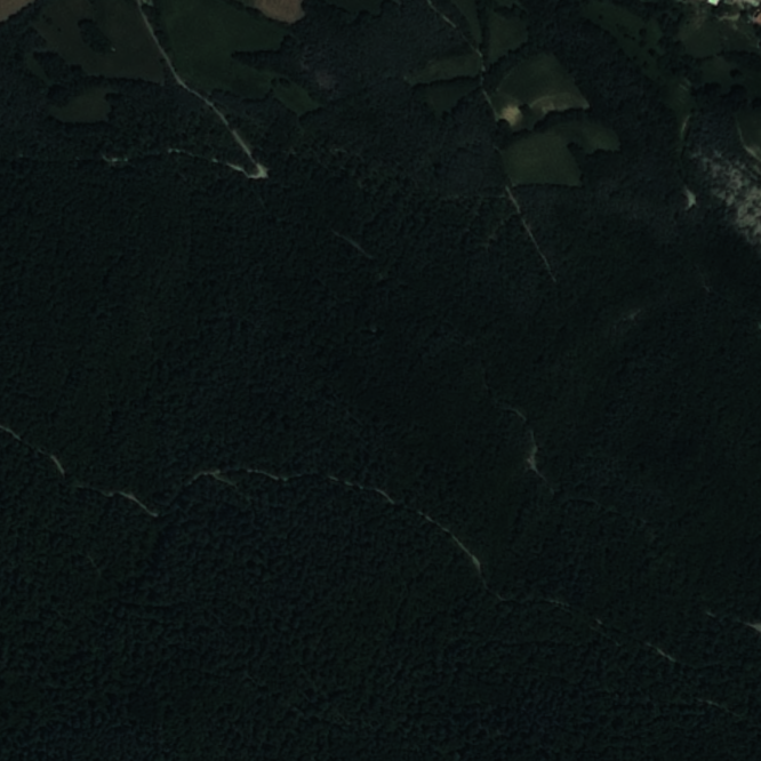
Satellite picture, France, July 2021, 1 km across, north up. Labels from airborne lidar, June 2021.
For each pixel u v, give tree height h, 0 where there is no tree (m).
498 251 13
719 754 17
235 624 19
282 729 25
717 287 13
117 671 17
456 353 16
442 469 17
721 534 15
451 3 9
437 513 12
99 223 21
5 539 21
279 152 13
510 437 13
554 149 0
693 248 16
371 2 0
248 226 21
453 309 21
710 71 0
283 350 20
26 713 11
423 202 12
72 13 0
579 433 13
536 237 10
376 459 11
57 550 18
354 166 13
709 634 17
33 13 13
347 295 20
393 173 16
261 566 6
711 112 7
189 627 18
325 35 19
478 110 14
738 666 17
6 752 9
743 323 17
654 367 12
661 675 13
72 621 24
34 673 15
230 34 0
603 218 13
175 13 0
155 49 0
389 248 13
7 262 16
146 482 24
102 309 21
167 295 16
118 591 14
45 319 24
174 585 35
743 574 20
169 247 16
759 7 7
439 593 19
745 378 12
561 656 17
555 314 13
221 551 26
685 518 14
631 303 10
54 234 24
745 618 17
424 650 20
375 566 25
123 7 0
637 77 18
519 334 16
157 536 8
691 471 20
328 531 19
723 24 0
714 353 14
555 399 16
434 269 18
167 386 19
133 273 18
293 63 12
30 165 21
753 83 0
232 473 14
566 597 15
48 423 26
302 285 20
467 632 18
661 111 23
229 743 28
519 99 0
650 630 16
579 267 11
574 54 11
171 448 19
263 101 9
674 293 16
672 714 18
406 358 19
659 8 17
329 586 19
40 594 24
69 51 0
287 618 28
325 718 23
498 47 0
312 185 21
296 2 0
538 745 11
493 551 12
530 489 11
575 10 19
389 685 18
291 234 16
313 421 22
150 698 18
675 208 11
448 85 9
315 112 11
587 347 16
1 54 20
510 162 0
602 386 22
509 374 25
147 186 20
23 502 25
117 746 24
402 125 19
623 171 13
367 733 25
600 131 0
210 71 0
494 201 16
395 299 21
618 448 14
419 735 17
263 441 16
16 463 22
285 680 21
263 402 17
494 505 15
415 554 21
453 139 16
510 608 13
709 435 19
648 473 15
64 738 23
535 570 18
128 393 20
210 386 17
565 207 12
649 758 18
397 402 14
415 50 11
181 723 16
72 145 23
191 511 12
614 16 0
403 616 18
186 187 12
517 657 17
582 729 19
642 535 14
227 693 19
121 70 0
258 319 14
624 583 19
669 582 20
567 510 16
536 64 0
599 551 16
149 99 16
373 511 20
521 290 15
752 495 12
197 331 18
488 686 22
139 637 21
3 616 20
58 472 19
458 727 10
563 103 0
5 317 23
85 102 0
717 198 9
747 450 17
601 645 16
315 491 20
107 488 23
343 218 20
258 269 16
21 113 20
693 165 9
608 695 14
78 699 9
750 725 11
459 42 9
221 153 11
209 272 26
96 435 23
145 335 16
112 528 28
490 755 15
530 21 9
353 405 18
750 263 25
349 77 11
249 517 24
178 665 21
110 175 19
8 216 20
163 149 18
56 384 27
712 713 27
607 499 17
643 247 15
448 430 16
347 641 7
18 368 21
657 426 19
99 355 18
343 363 20
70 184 21
